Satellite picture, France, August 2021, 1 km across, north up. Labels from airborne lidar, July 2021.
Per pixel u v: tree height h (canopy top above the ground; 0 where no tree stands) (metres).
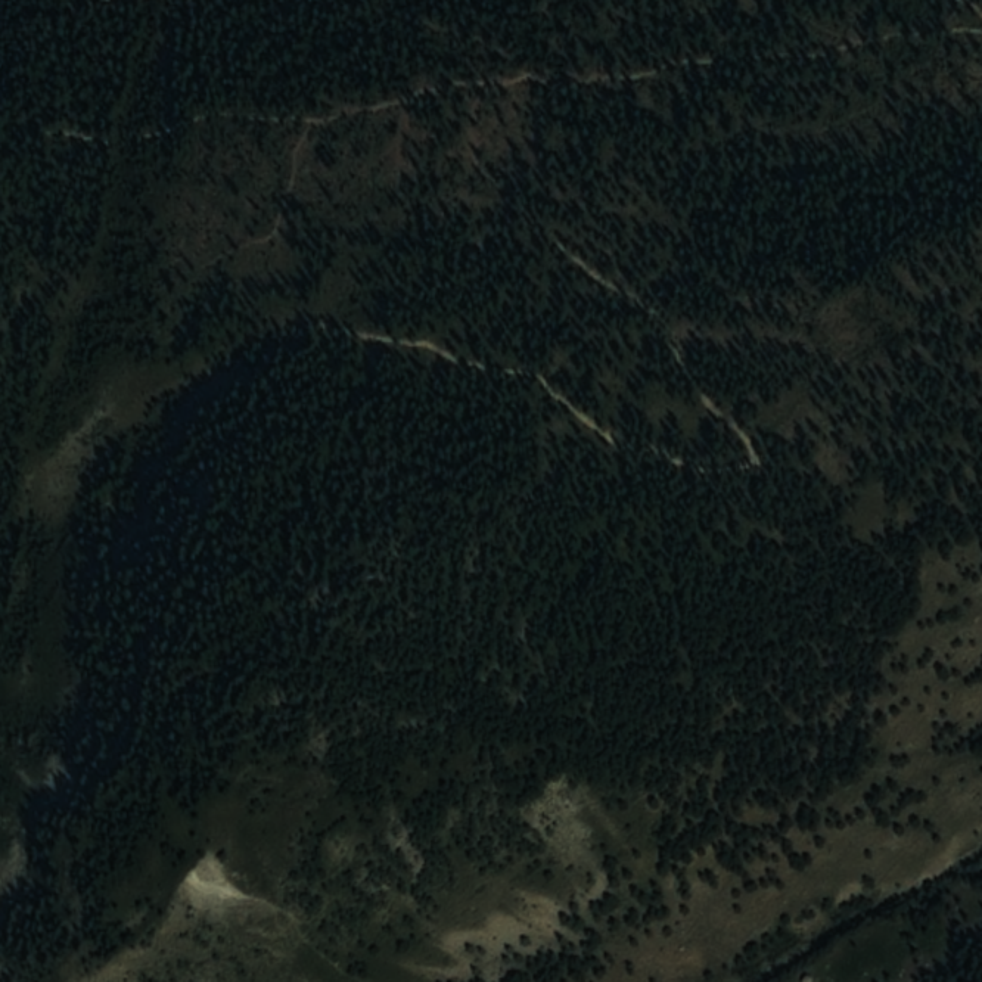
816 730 17
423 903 13
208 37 11
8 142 6
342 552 16
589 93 6
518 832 22
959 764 0
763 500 30
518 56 20
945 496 26
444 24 7
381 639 8
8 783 7
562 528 23
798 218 26
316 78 9
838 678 20
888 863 0
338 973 0
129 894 0
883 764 0
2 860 0
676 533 21
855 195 6
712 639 13
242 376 13
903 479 21
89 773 8
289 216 27
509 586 16
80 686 0
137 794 12
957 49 29
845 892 0
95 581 19
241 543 24
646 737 13
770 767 21
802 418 0
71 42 8
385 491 13
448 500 18
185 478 9
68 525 0
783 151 28
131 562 10
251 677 7
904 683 0
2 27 9
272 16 8
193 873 0
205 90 8
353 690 8
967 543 18
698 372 28
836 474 0
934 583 0
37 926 11
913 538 13
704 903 0
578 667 20
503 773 15
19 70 27
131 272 6
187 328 6
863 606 22
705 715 18
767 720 18
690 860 19
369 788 11
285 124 10
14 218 8
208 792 14
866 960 0
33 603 7
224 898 0
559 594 17
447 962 0
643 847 0
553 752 10
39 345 28
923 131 26
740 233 25
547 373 18
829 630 21
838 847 0
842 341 0
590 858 0
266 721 17
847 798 0
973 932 0
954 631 0
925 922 16
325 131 7
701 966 0
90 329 10
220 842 0
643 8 32
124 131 7
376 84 29
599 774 17
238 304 25
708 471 28
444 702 11
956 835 0
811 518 20
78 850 18
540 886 0
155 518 21
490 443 27
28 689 0
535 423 20
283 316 0
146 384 0
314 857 11
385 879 15
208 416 26
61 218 26
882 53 26
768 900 0
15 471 24
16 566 22
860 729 13
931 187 7
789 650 18
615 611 25
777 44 30
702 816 16
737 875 19
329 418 20
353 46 7
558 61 14
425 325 25
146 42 7
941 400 27
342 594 13
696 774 11
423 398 30
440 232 7
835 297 24
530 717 17
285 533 6
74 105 10
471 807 16
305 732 8
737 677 11
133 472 11
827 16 25
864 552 17
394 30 8
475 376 30
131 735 8
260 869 0
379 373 25
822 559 19
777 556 22
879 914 10
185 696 10
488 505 14
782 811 22
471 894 0
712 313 26
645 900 24
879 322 5
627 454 27
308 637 10
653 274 26
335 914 10
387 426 19
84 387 8
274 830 0
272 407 23
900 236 22
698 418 0
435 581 9
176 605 27
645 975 0
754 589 21
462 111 25
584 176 19
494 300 11
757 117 29
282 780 0
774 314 28
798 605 21
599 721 19
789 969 8
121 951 7
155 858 0
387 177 29
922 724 0
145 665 7
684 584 21
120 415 0
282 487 10
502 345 28
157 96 8
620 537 26
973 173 34
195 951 0
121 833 10
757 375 24
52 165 8
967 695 0
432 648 17
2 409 30
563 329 14
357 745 14
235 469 22
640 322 29
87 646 6
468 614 19
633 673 18
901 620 25
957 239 19
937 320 29
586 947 16
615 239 32
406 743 19
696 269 30
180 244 27
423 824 16
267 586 22
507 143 0
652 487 27
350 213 6
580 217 9
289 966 0
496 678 10
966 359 12
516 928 0
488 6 20
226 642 16
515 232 28
